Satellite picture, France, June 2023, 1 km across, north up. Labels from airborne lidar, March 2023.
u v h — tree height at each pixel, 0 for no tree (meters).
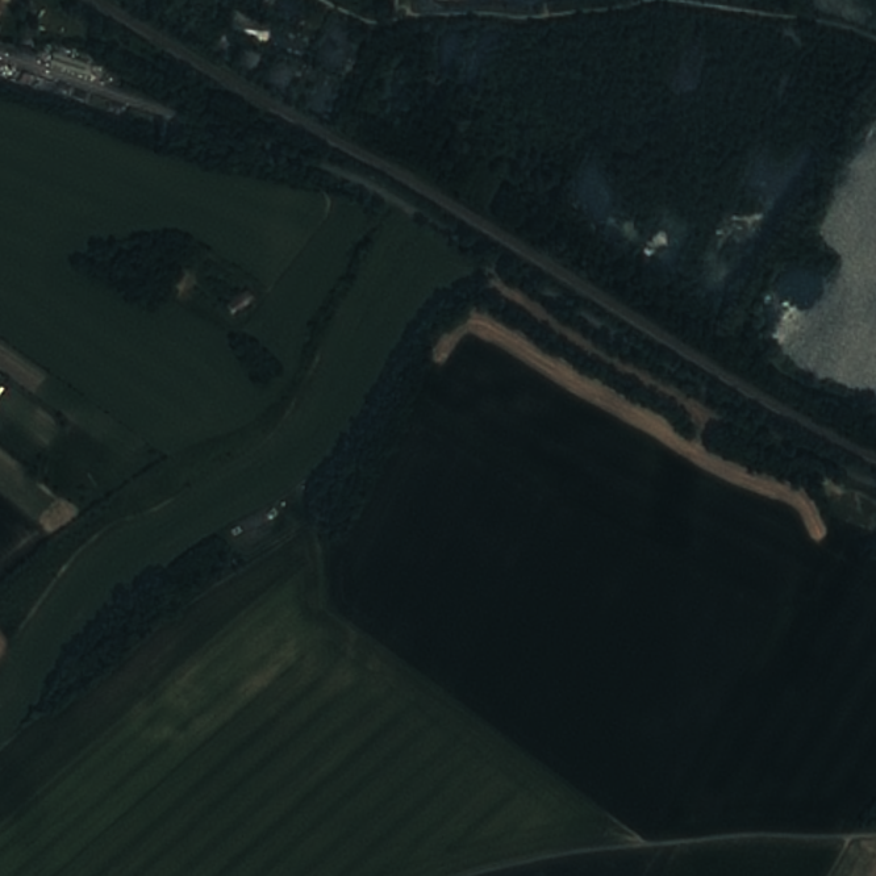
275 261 0
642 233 7
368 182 0
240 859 0
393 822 0
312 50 9
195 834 0
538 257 0
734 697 0
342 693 0
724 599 0
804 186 11
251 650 0
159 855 0
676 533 0
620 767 0
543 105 8
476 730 0
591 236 9
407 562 0
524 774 0
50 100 7
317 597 0
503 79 9
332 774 0
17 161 0
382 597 0
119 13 0
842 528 0
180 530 0
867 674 0
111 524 0
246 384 0
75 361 0
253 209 0
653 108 13
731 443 20
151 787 0
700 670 0
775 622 0
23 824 0
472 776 0
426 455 0
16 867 0
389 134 11
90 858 0
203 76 9
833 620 0
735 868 0
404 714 0
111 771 0
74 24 0
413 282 0
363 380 0
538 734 0
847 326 0
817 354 0
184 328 0
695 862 0
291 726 0
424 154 14
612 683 0
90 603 0
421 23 15
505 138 10
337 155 7
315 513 18
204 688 0
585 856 0
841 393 8
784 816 0
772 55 16
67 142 0
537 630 0
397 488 0
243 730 0
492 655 0
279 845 0
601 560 0
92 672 16
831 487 0
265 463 0
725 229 0
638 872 0
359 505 13
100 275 19
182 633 0
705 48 0
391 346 0
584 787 0
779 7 7
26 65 0
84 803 0
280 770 0
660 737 0
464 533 0
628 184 16
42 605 0
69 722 0
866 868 0
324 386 0
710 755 0
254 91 0
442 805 0
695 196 13
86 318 0
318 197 0
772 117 13
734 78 9
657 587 0
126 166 0
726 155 12
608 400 0
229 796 0
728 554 0
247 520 0
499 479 0
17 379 0
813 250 16
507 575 0
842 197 0
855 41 14
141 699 0
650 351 17
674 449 0
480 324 0
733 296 23
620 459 0
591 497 0
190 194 0
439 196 0
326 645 0
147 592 24
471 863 0
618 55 9
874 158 0
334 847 0
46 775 0
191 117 21
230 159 17
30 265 0
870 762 0
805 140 8
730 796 0
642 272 27
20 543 0
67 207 0
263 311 0
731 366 10
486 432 0
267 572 0
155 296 16
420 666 0
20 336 0
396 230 0
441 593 0
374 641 0
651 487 0
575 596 0
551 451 0
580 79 8
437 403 0
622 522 0
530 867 0
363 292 0
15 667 0
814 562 0
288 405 0
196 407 0
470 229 20
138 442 0
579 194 0
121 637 16
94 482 0
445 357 0
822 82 12
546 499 0
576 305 20
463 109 10
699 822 0
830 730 0
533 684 0
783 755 0
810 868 0
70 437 0
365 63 8
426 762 0
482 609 0
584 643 0
